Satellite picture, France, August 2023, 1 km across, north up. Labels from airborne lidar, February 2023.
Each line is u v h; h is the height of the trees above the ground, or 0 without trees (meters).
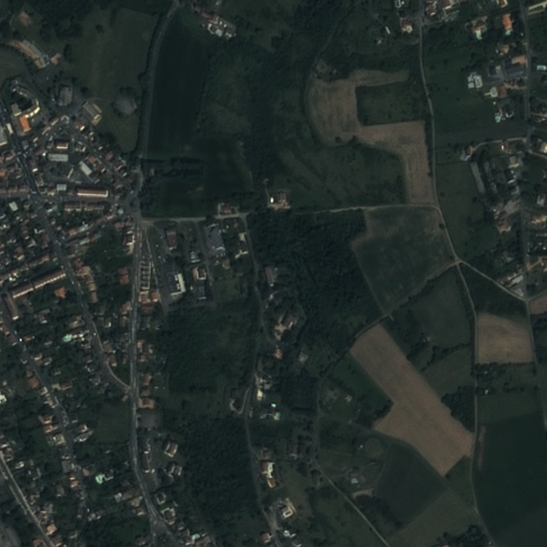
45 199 0
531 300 0
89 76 0
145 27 0
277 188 0
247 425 0
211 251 0
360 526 0
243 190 0
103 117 0
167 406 0
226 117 0
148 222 0
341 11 10
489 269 8
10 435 14
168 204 0
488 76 0
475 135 0
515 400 0
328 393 0
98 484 6
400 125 0
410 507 0
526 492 0
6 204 13
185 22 0
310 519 7
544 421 0
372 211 0
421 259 0
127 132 0
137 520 8
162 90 0
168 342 14
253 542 8
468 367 0
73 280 0
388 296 0
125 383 0
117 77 0
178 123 0
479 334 0
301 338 13
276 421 0
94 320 6
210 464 14
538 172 0
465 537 6
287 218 8
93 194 0
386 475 0
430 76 0
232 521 10
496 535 0
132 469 12
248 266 0
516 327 0
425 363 0
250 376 7
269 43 0
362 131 0
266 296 16
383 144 0
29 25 0
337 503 0
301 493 0
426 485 0
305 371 8
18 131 0
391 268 0
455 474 0
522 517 0
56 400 0
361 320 0
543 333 13
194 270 0
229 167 0
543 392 0
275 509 0
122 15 0
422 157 0
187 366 6
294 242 5
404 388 0
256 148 10
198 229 0
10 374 10
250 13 0
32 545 10
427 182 0
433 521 0
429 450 0
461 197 0
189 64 0
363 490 0
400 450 0
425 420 0
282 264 15
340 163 0
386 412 9
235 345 0
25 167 0
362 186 0
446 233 7
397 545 0
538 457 0
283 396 15
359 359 0
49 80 0
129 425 0
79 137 0
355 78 0
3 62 0
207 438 7
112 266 0
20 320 7
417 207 0
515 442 0
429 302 0
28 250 15
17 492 0
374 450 0
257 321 7
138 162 12
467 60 0
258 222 8
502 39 9
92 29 0
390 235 0
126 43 0
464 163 0
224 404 0
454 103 0
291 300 6
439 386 0
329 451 0
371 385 0
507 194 0
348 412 0
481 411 0
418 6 0
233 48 8
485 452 0
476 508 0
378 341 0
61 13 7
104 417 0
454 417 12
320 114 0
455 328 0
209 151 0
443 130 0
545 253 7
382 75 0
